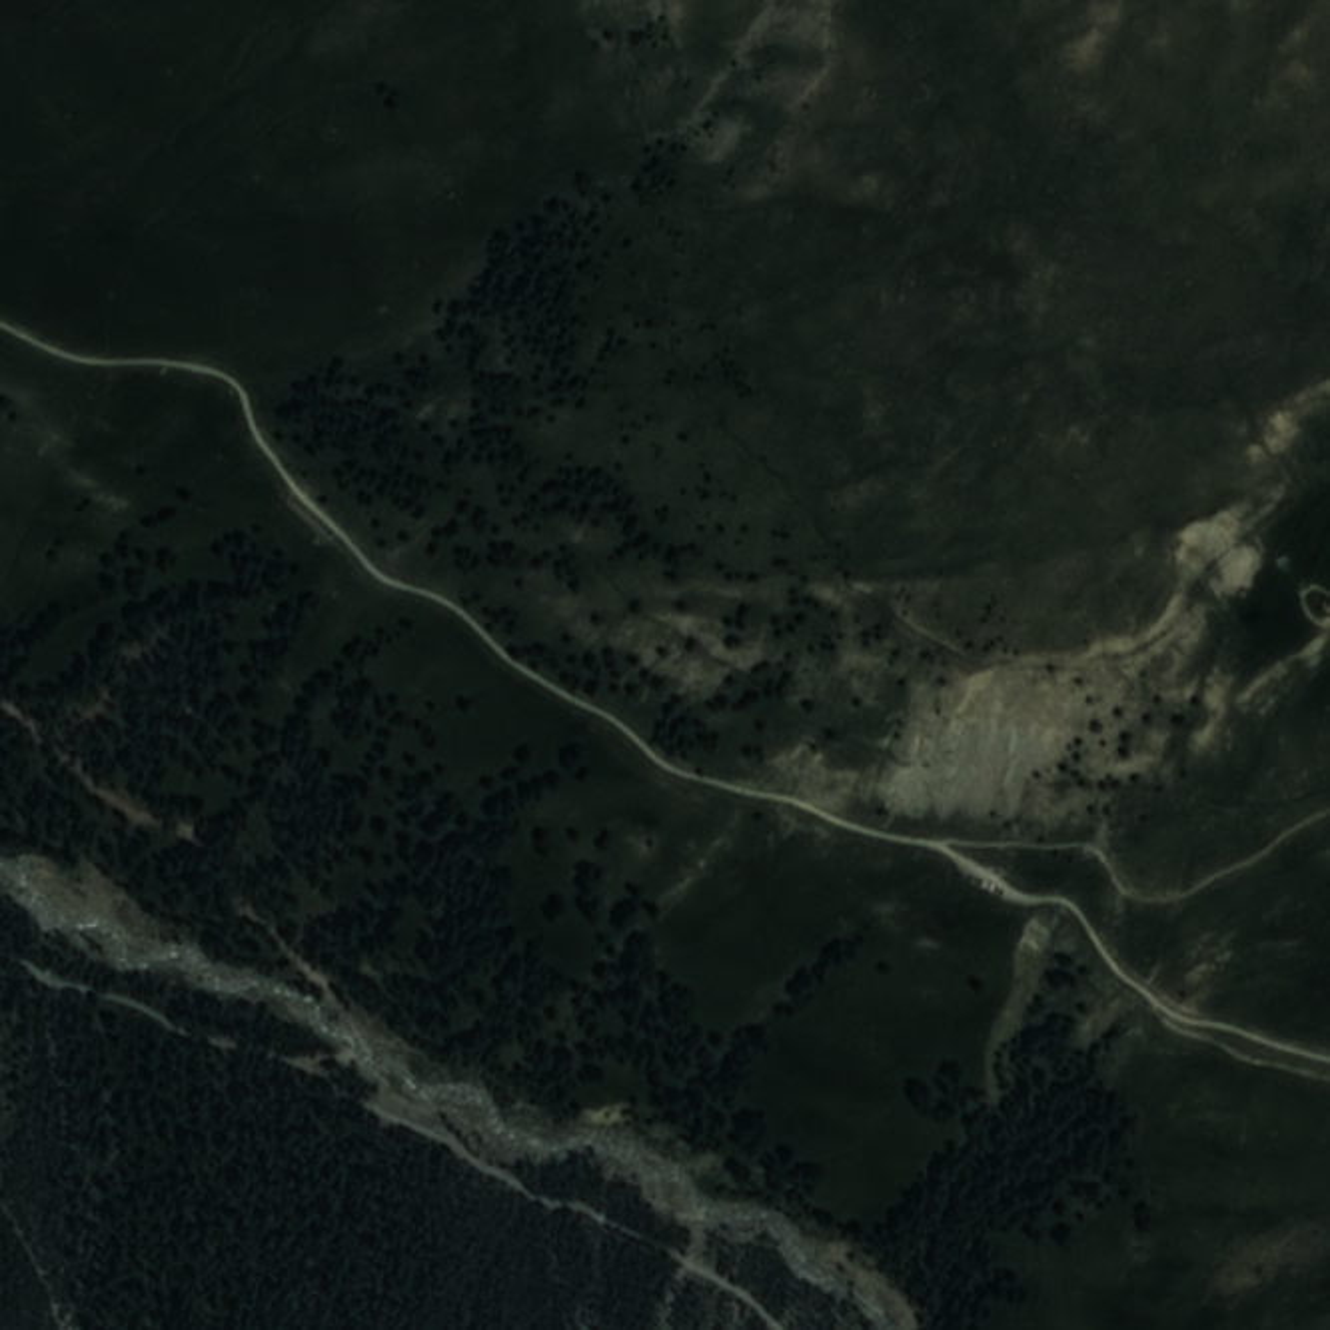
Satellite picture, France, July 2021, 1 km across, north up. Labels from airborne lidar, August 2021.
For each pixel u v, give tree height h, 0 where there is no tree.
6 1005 14
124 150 0
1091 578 0
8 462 0
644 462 0
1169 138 0
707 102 0
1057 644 0
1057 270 0
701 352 0
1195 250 0
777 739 0
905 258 0
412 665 0
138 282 0
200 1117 14
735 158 0
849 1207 0
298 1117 9
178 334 0
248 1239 23
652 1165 0
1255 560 0
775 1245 6
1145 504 0
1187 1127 0
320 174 0
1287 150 0
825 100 0
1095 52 0
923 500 0
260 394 0
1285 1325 0
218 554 16
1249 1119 0
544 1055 23
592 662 11
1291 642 0
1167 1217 0
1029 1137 20
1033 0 0
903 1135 0
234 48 0
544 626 0
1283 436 0
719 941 0
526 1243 9
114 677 21
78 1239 9
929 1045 0
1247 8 0
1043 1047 18
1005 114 0
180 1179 25
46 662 0
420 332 0
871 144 0
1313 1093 0
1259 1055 0
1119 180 0
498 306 13
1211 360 0
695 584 0
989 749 0
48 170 0
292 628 15
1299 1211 0
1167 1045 0
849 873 0
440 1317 7
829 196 0
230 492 0
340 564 0
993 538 0
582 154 0
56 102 0
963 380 0
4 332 0
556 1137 0
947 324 0
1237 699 0
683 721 9
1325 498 0
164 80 0
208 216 0
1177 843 0
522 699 0
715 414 0
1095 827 0
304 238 0
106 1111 15
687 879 0
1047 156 0
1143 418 0
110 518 0
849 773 0
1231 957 0
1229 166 0
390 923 22
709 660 0
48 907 0
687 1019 25
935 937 0
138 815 0
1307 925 0
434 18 0
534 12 0
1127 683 0
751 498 0
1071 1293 0
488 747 0
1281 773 0
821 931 0
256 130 0
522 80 0
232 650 17
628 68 0
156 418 0
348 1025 0
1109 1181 18
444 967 23
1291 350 0
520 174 0
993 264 0
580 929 0
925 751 0
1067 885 0
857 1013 0
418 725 10
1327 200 0
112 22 0
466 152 0
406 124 0
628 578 0
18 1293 8
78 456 0
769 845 0
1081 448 0
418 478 8
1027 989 0
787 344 0
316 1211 19
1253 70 0
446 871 22
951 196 0
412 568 0
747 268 0
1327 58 0
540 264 12
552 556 9
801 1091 0
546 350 9
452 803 20
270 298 0
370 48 0
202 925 9
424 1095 0
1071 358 0
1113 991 0
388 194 0
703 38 0
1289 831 0
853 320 0
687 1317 10
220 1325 10
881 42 0
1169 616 0
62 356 0
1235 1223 0
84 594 0
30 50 0
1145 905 0
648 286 0
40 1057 8
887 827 0
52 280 0
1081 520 0
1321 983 0
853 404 0
